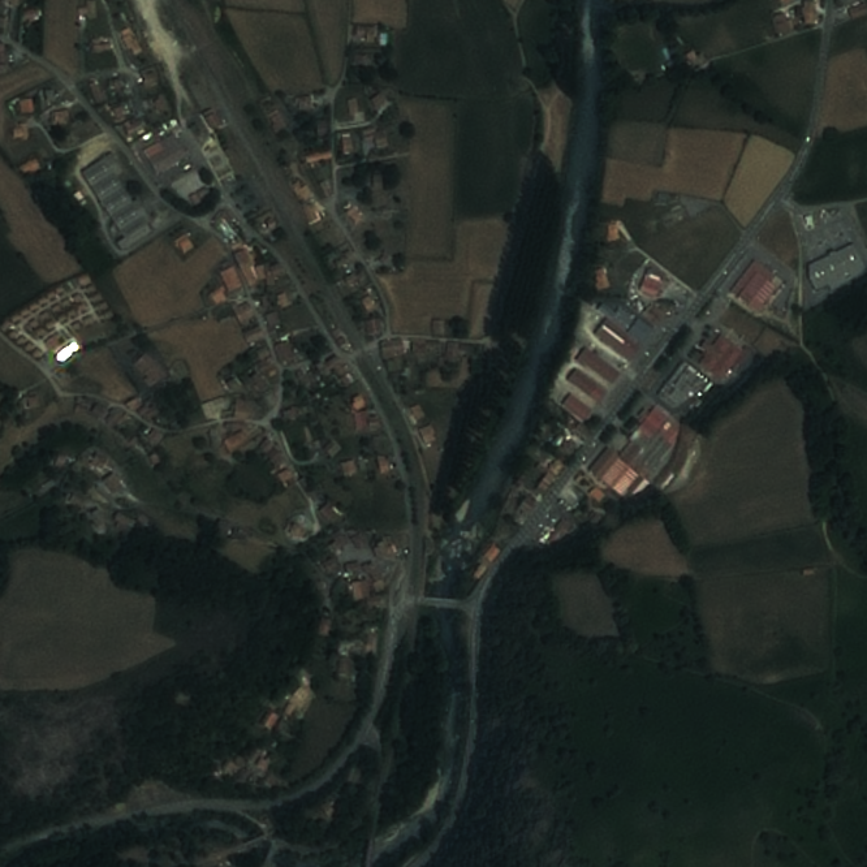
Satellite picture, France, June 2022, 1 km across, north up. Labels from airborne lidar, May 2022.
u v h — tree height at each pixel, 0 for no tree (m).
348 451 0
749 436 0
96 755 6
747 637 0
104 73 0
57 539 15
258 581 14
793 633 0
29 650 0
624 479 0
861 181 0
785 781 0
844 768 13
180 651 0
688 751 0
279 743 8
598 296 12
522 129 0
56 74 0
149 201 0
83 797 7
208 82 0
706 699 0
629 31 0
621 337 0
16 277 0
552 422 11
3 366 0
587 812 0
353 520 0
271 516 0
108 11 0
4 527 0
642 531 0
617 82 19
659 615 0
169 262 0
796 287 0
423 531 0
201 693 16
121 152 0
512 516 7
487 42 0
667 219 0
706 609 0
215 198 15
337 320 0
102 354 0
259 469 0
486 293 0
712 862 0
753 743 0
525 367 8
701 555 0
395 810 18
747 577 0
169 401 6
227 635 0
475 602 0
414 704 24
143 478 0
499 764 20
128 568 10
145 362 0
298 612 20
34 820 19
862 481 0
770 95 0
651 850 0
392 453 0
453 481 20
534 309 31
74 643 0
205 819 16
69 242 13
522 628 15
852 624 0
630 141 0
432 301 0
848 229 0
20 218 0
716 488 0
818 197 0
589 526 12
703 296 0
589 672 0
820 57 0
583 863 7
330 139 13
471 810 11
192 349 0
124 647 0
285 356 0
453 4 0
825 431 17
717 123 0
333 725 0
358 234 0
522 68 0
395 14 0
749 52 0
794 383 18
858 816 0
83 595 0
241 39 0
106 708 0
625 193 0
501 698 17
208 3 0
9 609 0
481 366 8
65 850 26
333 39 0
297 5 0
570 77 30
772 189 0
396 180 13
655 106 0
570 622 0
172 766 21
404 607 0
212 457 10
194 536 0
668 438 0
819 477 17
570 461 7
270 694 9
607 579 13
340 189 0
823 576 0
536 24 0
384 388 0
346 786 12
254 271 0
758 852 0
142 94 0
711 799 0
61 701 7
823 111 0
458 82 0
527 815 13
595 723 0
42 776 0
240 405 0
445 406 0
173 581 12
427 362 0
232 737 12
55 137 14
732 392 9
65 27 0
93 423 0
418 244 0
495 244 0
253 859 20
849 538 16
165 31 0
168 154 0
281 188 0
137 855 0
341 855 9
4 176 0
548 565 13
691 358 7
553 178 28
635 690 0
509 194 0
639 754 0
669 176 0
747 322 0
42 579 0
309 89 0
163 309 0
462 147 0
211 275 0
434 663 26
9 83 0
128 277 0
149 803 0
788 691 0
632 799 0
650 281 0
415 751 20
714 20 0
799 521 0
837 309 9
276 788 8
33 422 0
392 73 13
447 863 16
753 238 0
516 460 14
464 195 0
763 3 0
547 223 28
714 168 0
